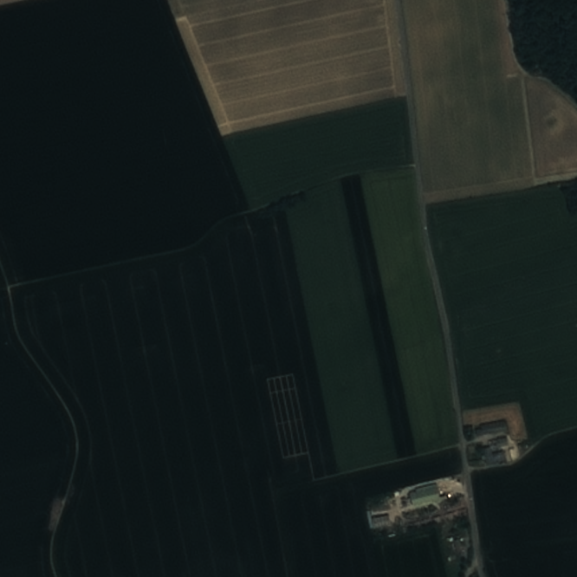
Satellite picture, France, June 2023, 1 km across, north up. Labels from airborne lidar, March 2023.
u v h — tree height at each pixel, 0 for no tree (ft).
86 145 0
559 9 52
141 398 0
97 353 0
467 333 0
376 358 0
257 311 0
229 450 0
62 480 0
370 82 0
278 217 0
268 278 0
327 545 0
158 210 0
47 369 0
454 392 0
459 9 0
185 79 0
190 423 0
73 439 0
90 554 0
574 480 0
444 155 0
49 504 0
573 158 0
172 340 0
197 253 0
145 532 0
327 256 0
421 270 0
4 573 0
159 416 0
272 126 0
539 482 0
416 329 0
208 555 0
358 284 0
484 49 0
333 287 0
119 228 0
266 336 0
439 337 0
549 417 0
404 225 0
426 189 0
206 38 0
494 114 0
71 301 0
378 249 0
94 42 0
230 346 0
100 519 0
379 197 0
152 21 0
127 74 0
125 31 0
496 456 0
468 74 0
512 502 0
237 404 0
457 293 0
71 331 0
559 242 0
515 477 0
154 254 0
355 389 0
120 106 0
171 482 0
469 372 0
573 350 0
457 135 0
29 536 0
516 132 0
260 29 0
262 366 0
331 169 0
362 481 0
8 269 0
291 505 0
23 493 0
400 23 0
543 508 0
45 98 0
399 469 0
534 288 0
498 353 0
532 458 0
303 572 0
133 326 0
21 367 0
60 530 0
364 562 0
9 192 0
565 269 0
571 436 0
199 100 0
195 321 0
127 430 0
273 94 0
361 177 0
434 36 0
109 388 0
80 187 0
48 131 0
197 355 0
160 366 0
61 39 0
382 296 0
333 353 0
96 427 0
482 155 0
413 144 0
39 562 0
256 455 0
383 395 0
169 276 0
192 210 0
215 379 0
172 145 0
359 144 0
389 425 0
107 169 0
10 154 0
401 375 0
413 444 0
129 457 0
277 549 0
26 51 0
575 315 0
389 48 0
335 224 0
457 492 0
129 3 0
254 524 0
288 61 0
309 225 0
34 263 0
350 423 0
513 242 0
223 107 0
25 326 0
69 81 0
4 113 0
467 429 20
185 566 0
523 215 0
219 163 0
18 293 0
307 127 0
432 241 0
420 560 0
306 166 0
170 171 0
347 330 0
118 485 0
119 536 0
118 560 0
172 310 0
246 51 0
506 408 0
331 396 0
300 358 0
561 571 0
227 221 0
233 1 0
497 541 0
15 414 0
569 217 0
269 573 0
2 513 0
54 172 0
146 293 0
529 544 0
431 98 0
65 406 0
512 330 0
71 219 0
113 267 0
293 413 0
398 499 0
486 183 0
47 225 0
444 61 0
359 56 0
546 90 0
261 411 0
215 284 0
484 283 0
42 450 0
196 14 0
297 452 0
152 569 0
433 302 0
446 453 0
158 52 0
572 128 0
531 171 0
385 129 0
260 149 0
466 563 27
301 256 0
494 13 0
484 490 0
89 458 0
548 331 0
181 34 0
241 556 0
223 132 0
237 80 0
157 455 0
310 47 0
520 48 39
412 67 0
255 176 0
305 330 0
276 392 0
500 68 0
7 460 0
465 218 0
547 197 0
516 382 0
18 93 0
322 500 0
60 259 0
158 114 0
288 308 0
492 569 0
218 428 0
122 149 0
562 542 0
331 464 0
